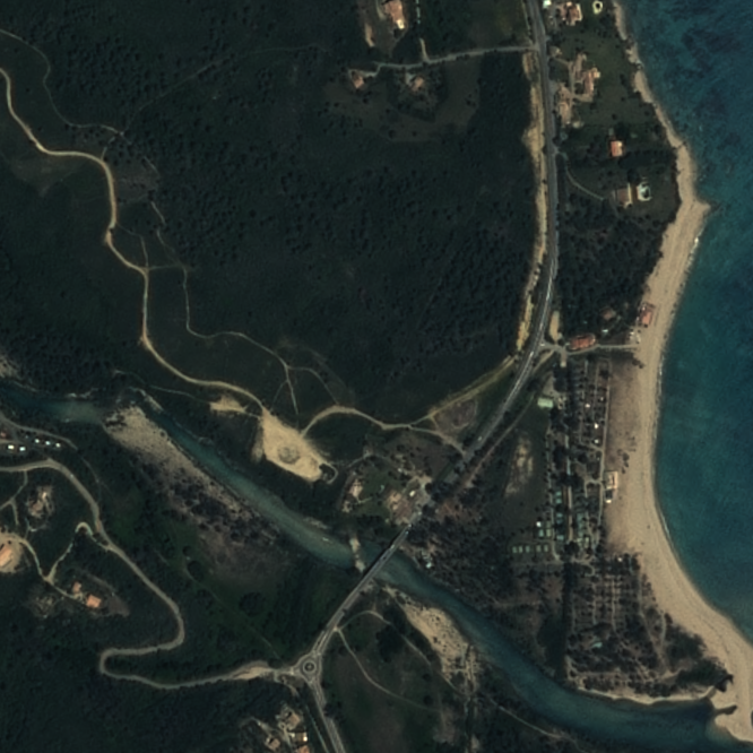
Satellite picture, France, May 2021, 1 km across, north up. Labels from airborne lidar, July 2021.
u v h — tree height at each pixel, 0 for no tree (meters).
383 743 0
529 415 0
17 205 5
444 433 0
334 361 6
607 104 0
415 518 0
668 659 0
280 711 9
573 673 9
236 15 11
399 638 11
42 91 0
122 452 19
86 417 0
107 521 10
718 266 0
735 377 0
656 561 0
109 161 13
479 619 0
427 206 6
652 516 0
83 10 12
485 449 11
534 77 0
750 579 0
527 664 0
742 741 0
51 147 0
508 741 24
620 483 0
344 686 0
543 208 0
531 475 0
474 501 25
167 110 8
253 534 9
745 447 0
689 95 0
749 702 0
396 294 6
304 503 8
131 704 6
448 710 0
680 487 0
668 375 0
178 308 0
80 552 27
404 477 8
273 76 13
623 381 0
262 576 0
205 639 6
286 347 0
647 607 0
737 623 0
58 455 7
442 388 0
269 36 10
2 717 7
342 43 10
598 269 15
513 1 0
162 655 14
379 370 9
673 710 0
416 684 0
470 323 13
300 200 13
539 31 0
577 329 13
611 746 10
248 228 13
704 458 0
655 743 0
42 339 20
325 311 13
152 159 12
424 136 0
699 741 0
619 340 0
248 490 0
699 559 0
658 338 0
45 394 6
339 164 6
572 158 7
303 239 6
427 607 0
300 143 7
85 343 6
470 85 0
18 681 10
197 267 11
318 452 0
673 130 0
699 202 0
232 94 5
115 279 0
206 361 0
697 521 0
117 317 0
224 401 0
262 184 6
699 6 0
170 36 6
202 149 6
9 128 0
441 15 10
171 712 23
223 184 9
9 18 5
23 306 9
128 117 10
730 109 0
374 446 0
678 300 0
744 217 0
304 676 0
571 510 20
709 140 0
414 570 0
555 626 9
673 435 0
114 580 7
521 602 0
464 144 10
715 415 0
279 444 0
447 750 7
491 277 14
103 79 16
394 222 12
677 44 0
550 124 0
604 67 0
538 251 0
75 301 6
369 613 0
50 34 10
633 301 13
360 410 0
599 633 12
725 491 0
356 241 12
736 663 0
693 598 0
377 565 0
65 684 5
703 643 0
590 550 13
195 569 13
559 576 13
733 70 0
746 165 0
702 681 7
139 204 0
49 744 6
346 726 6
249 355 0
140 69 13
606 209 12
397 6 0
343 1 6
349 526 0
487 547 15
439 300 14
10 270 9
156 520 17
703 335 0
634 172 14
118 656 7
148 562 10
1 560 0
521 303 17
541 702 0
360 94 8
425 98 12
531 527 6
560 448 11
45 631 8
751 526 0
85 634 6
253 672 0
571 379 20
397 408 0
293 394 0
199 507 9
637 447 0
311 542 0
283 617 8
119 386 13
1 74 0
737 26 0
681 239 0
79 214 0
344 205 13
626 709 0
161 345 0
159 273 0
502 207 15
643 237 12
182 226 14
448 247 12
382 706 0
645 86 0
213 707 8
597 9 0
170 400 7
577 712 0
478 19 0
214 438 11
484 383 0
